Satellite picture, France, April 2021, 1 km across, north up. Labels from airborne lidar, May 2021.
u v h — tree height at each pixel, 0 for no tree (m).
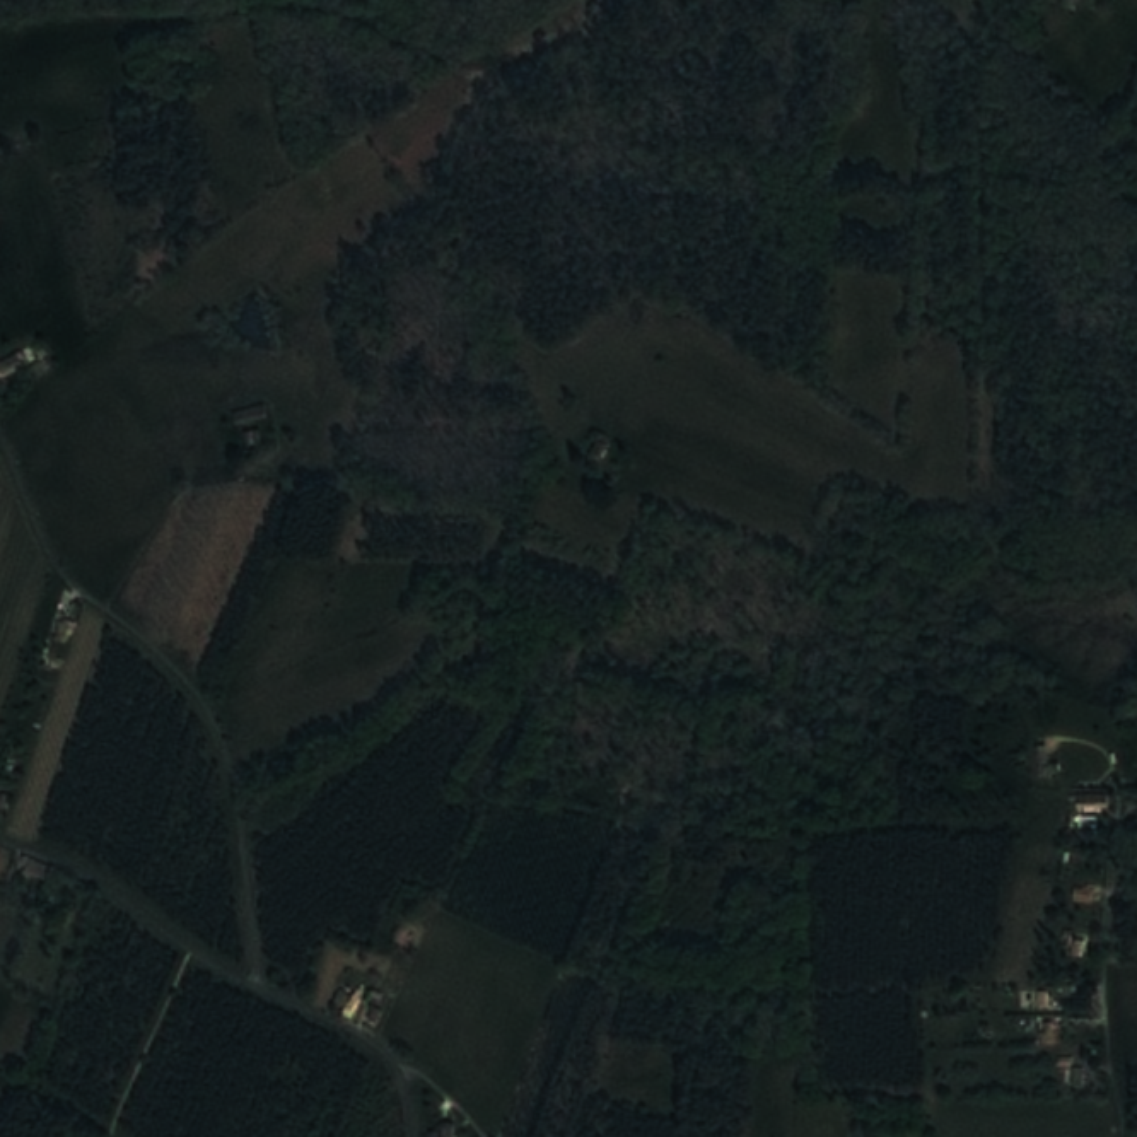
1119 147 10
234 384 0
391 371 10
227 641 10
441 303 15
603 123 14
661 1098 0
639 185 13
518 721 9
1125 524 20
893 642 11
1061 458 13
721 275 25
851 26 18
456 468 13
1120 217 17
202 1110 9
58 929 11
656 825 13
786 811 18
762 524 0
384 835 10
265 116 0
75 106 0
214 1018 11
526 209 30
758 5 28
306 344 0
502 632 23
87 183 0
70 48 0
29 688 6
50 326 0
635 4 16
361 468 22
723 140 31
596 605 28
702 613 19
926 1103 11
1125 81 0
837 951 10
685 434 0
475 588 12
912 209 16
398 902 8
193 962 0
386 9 20
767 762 18
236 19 11
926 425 0
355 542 0
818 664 20
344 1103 9
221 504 23
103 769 10
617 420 0
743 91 30
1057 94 12
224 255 0
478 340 15
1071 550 20
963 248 19
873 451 0
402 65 16
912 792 10
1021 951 0
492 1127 0
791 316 16
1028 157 15
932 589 6
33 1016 0
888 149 0
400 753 10
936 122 18
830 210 21
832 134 19
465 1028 0
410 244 27
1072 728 0
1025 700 11
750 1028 16
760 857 6
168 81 17
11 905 8
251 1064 10
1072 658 0
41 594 0
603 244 16
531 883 7
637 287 30
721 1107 20
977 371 17
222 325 11
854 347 0
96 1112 8
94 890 10
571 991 6
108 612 0
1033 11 17
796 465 0
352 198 0
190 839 8
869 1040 11
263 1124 9
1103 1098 12
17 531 0
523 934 6
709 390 0
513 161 31
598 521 0
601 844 10
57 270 0
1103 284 16
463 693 16
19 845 0
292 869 10
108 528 0
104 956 10
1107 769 0
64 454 0
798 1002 18
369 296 15
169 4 24
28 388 7
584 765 15
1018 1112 0
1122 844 20
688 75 28
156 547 8
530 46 0
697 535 17
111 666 10
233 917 8
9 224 0
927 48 21
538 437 13
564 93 30
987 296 13
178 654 7
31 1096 23
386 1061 0
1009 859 12
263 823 14
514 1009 0
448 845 9
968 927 7
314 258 0
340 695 0
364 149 0
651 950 21
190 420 0
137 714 8
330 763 22
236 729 0
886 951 11
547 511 0
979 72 30
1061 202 24
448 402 7
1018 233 23
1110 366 24
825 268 20
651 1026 18
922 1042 9
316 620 0
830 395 11
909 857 11
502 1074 0
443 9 13
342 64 16
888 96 0
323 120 21
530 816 7
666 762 11
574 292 31
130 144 20
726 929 12
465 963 0
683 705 16
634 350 0
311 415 0
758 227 26
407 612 16
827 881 11
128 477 0
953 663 9
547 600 24
